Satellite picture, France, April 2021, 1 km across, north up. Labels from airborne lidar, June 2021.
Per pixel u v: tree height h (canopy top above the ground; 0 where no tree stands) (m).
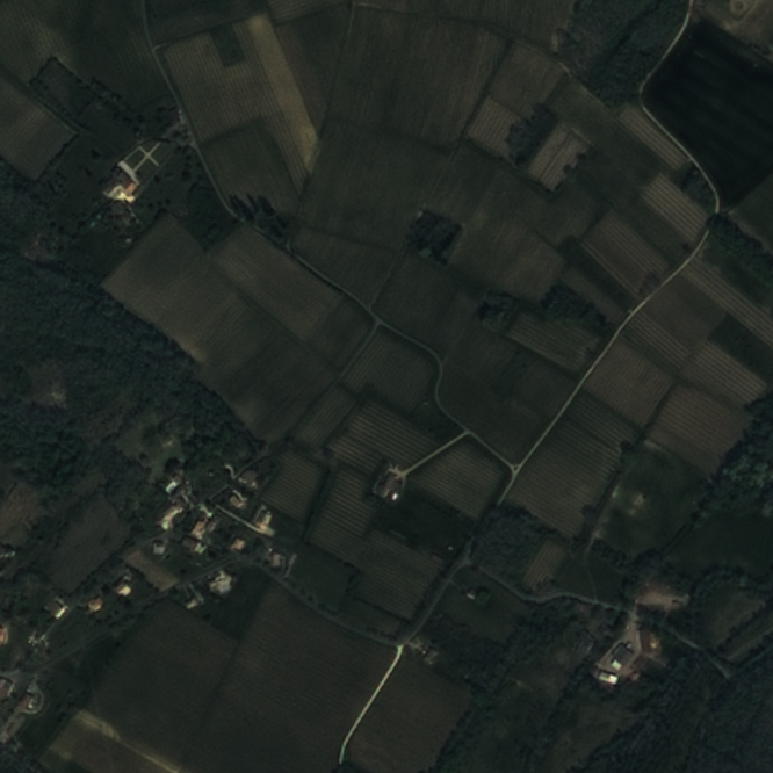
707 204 20
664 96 0
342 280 0
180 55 0
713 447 0
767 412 12
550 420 0
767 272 23
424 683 0
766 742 15
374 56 0
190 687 0
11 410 17
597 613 14
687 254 14
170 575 0
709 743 12
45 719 0
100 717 0
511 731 0
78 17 0
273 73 0
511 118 0
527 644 16
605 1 18
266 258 0
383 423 0
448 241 7
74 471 13
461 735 14
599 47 17
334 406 0
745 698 19
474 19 0
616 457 0
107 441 8
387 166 0
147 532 15
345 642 0
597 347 0
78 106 0
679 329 0
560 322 15
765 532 0
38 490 17
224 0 0
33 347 10
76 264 10
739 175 0
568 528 0
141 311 0
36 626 8
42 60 0
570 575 0
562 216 0
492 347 0
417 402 0
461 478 0
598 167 0
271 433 0
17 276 17
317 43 0
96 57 0
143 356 21
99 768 0
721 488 21
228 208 0
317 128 0
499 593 0
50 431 19
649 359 0
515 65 0
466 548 6
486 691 16
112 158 6
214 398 12
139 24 0
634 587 17
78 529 0
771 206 0
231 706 0
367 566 0
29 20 0
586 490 0
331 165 0
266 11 0
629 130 0
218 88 0
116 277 0
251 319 0
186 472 11
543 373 0
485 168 0
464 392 0
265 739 0
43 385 0
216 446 11
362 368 0
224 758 0
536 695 0
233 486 9
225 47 0
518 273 0
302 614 0
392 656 0
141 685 0
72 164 0
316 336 0
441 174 0
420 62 0
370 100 0
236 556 0
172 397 21
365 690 0
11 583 10
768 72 0
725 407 0
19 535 0
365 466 0
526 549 17
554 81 0
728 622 0
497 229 0
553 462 0
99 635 0
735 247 20
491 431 0
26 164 0
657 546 0
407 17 0
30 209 11
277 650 0
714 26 0
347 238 0
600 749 7
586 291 0
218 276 0
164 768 0
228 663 0
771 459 26
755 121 0
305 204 0
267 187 0
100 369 17
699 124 0
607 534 0
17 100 0
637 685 16
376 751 0
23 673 18
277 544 0
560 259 0
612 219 0
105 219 8
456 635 7
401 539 0
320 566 0
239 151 0
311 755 0
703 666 25
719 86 0
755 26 0
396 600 0
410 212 0
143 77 0
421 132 0
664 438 0
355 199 0
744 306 0
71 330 18
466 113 0
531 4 0
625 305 0
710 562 0
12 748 12
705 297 0
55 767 0
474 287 0
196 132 0
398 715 0
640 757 25
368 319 0
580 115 0
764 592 11
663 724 21
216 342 0
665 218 0
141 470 16
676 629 18
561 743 0
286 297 0
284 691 0
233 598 0
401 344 0
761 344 0
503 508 8
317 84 0
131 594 0
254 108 0
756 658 12
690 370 0
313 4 0
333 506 0
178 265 0
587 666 8
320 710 0
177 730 0
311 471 0
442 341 0
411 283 0
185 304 0
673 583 12
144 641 0
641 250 0
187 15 0
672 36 19
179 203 0
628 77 17
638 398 0
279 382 0
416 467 0
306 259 0
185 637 0
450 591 0
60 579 0
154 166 0
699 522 16
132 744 0
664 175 0
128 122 7
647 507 0
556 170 0
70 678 0
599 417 0
